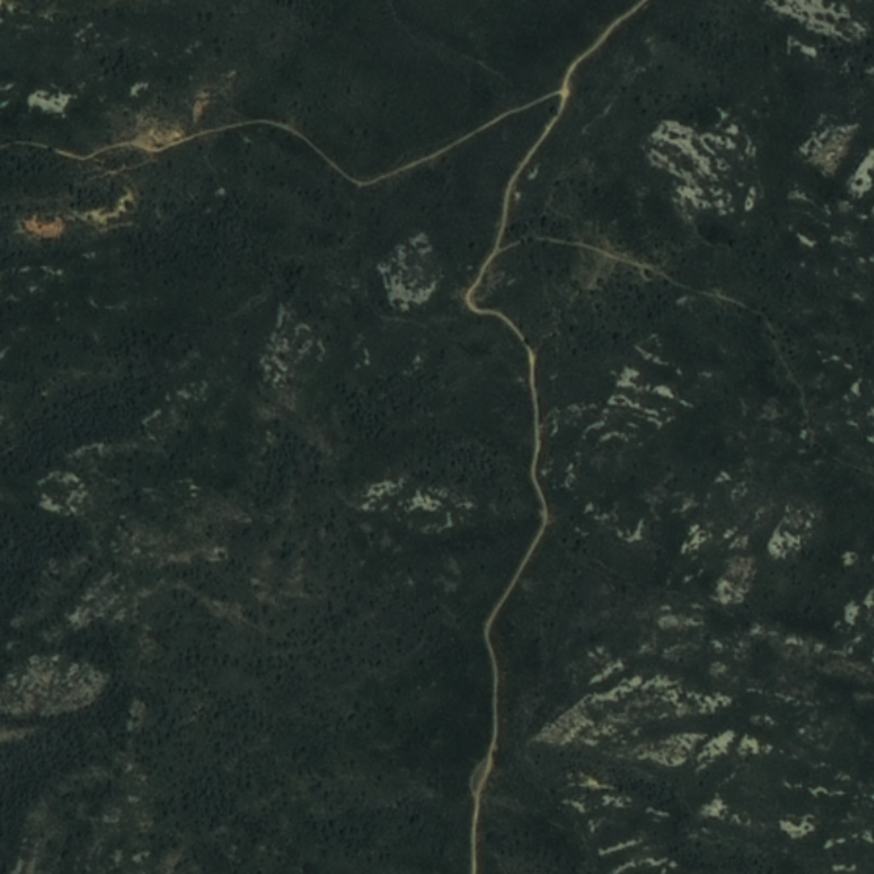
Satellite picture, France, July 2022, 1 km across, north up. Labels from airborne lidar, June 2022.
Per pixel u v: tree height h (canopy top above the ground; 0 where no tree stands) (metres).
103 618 0
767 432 0
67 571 0
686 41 6
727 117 0
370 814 6
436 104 0
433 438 9
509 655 0
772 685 0
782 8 0
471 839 0
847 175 0
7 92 0
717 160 0
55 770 7
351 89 7
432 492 0
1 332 7
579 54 0
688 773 0
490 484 7
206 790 9
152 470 7
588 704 0
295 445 7
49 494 0
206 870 7
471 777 0
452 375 0
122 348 7
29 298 0
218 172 0
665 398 0
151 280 0
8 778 8
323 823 6
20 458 8
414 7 0
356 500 0
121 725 9
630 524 0
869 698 0
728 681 0
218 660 9
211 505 0
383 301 8
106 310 0
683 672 0
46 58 0
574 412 0
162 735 7
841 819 0
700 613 0
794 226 0
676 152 0
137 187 0
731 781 0
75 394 8
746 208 0
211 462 0
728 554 0
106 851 0
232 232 8
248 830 8
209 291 0
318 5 7
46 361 10
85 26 0
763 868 6
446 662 6
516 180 0
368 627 8
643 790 10
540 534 0
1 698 0
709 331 0
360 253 7
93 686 0
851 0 0
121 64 9
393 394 8
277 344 0
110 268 0
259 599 0
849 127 0
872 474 0
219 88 0
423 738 7
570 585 8
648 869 0
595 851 0
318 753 8
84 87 0
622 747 0
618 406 0
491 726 0
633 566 0
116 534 0
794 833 0
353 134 9
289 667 9
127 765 0
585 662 0
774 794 0
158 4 0
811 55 0
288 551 7
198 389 0
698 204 0
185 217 7
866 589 0
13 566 9
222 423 0
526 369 0
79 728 10
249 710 6
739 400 0
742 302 0
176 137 0
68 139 6
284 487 8
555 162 0
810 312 0
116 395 7
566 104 0
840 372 0
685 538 0
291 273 11
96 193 8
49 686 0
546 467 0
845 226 0
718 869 8
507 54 0
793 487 0
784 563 0
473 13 0
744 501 0
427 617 9
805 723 0
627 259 0
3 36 0
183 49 0
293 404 0
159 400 0
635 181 0
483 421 0
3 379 7
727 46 11
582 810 0
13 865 0
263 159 0
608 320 6
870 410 0
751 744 0
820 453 7
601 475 0
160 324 0
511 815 0
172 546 0
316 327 6
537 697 7
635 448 0
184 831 8
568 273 7
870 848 0
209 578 6
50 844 8
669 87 0
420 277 0
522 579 0
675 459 0
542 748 0
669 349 0
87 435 8
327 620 6
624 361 0
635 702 0
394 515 0
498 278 0
